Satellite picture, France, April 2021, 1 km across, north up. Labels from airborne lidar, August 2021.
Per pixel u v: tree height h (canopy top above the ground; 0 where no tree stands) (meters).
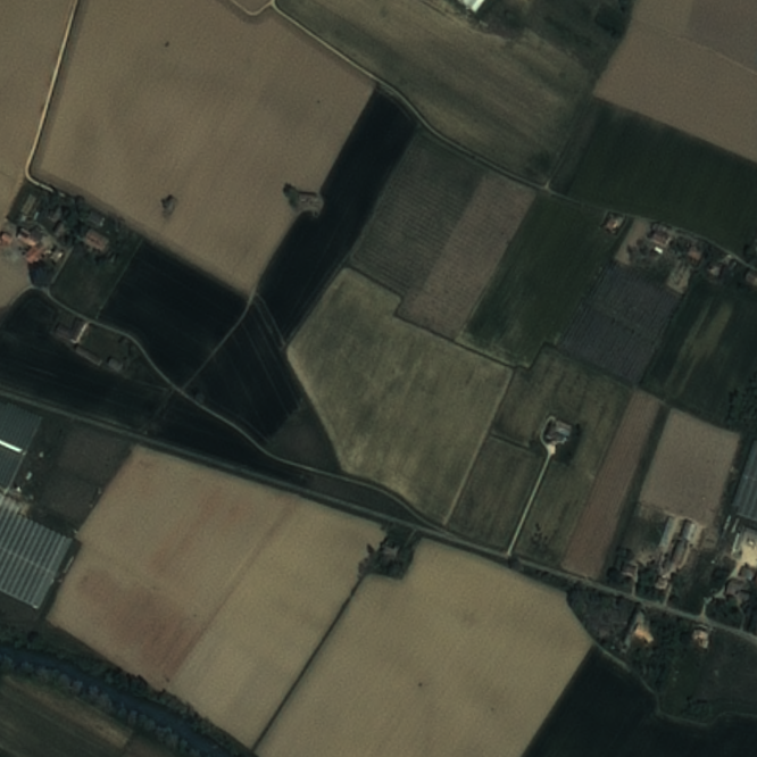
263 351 0
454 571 0
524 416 0
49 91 0
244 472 0
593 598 12
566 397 0
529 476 0
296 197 15
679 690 0
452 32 0
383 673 0
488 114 0
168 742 22
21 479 0
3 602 0
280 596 0
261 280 0
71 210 7
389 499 0
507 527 0
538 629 0
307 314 0
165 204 9
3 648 0
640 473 0
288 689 0
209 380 0
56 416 0
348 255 0
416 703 0
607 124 0
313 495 0
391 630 0
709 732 0
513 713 0
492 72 0
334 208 0
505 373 0
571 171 0
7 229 0
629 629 7
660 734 0
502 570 0
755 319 0
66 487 0
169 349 0
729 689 0
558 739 0
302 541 0
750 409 7
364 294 0
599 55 0
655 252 7
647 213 0
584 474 0
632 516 0
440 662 0
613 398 0
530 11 0
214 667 0
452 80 0
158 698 11
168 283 0
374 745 0
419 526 0
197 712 12
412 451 0
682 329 0
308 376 0
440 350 0
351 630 0
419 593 0
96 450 0
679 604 8
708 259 10
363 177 0
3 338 0
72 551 0
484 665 0
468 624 0
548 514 0
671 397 0
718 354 0
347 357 0
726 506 0
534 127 0
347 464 0
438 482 0
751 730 0
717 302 0
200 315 0
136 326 0
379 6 0
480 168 0
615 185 0
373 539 0
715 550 0
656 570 7
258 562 0
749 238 0
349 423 0
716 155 0
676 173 0
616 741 0
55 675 14
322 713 0
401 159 0
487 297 0
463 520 0
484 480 0
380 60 0
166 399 0
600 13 0
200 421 0
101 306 0
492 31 0
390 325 0
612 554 0
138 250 0
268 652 0
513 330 0
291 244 0
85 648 0
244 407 0
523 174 0
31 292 0
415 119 0
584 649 0
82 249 14
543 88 0
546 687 0
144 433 0
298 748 0
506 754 0
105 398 0
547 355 0
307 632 0
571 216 0
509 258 0
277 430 0
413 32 0
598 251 0
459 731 0
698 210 0
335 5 0
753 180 0
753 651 0
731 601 11
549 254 0
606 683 0
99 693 20
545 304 0
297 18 0
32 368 0
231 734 0
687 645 10
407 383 0
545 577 7
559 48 0
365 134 0
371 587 0
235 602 0
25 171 0
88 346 0
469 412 0
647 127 0
